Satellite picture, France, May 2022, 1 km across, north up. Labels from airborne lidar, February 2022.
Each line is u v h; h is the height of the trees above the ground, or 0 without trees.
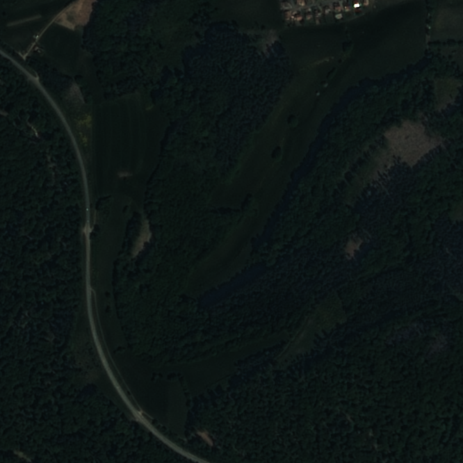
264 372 31
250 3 0
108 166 0
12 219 29
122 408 0
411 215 28
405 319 25
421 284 13
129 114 0
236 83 32
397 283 14
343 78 0
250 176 0
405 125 0
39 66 8
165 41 0
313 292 33
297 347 0
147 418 0
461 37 0
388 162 0
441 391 36
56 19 0
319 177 32
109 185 0
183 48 0
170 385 0
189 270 24
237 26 23
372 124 25
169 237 23
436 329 25
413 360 28
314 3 0
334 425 29
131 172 0
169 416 0
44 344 29
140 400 0
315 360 25
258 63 39
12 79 27
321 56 0
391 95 32
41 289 32
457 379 28
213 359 0
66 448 32
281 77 27
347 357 34
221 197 0
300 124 0
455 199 30
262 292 26
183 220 24
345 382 31
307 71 0
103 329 0
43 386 32
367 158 23
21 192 33
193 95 30
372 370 33
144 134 0
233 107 35
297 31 0
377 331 29
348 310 19
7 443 30
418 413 38
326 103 0
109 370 0
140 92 0
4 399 30
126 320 26
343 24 0
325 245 27
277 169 0
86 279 0
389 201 29
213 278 0
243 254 0
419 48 0
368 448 29
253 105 32
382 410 35
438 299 23
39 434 28
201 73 34
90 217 0
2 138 38
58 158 30
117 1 30
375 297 20
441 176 26
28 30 0
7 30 0
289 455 27
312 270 26
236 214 10
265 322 21
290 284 24
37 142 33
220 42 37
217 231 26
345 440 27
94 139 0
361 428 27
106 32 28
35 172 34
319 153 27
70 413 32
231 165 30
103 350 0
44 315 29
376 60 0
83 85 14
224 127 34
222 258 0
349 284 19
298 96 0
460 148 27
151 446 28
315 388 27
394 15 0
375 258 27
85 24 18
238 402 29
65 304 30
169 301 23
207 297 0
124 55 27
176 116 26
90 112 0
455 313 32
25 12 0
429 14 9
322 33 0
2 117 33
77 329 0
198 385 0
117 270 14
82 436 31
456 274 29
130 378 0
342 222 33
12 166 34
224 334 29
